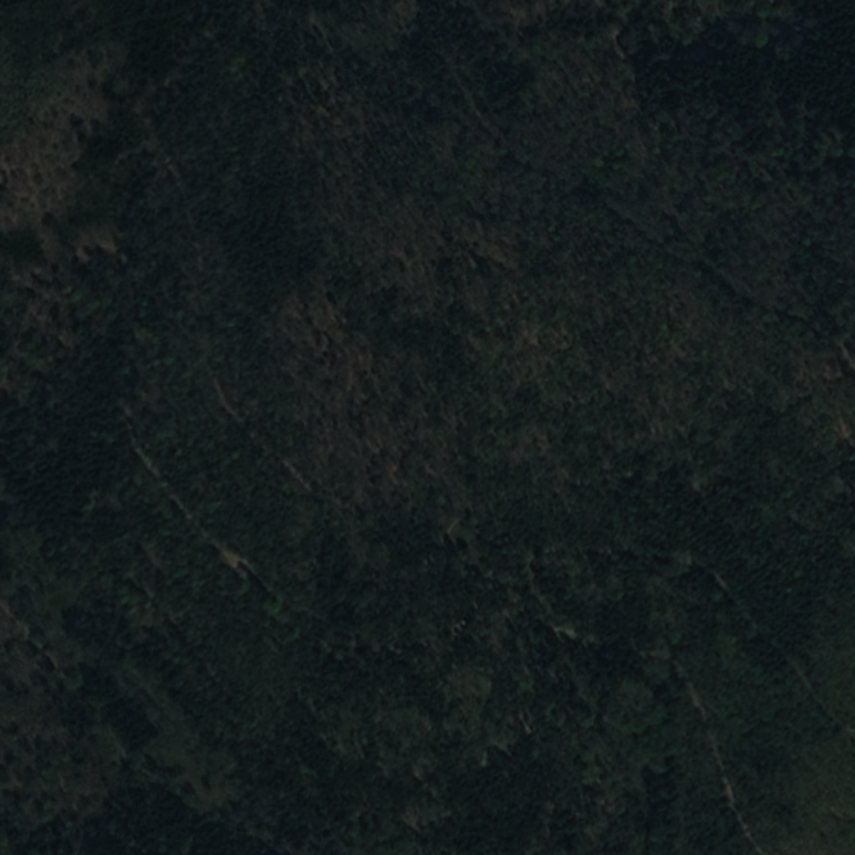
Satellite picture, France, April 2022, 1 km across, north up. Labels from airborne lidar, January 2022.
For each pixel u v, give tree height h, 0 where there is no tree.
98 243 15
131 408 21
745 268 32
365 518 25
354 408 32
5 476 31
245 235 26
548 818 23
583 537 24
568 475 20
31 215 7
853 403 25
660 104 32
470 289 21
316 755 23
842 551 20
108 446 21
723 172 34
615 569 24
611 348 23
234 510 18
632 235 24
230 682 15
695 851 19
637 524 26
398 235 21
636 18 31
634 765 28
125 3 17
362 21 31
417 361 25
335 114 26
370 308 29
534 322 24
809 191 40
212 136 21
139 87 18
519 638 26
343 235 22
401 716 20
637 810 30
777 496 12
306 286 24
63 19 14
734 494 26
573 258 28
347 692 18
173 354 24
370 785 23
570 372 21
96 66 25
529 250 25
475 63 33
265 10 19
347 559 31
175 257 22
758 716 19
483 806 22
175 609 19
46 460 30
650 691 23
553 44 36
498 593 31
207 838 28
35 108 10
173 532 22
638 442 20
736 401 17
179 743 22
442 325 19
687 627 25
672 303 26
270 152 17
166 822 30
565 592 27
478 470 22
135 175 10
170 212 27
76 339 34
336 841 19
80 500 27
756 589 20
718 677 22
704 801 20
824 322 22
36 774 19
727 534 24
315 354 14
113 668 27
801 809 22
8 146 11
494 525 25
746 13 17
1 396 12
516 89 41
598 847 20
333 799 29
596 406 24
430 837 8
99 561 24
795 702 25
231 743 27
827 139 38
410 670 21
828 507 20
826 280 30
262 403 17
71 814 16
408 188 23
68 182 17
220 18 20
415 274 24
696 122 14
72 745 11
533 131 39
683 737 23
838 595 17
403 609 32
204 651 19
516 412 20
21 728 14
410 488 36
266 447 6
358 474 28
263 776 18
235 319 22
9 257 11
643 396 22
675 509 23
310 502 15
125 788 13
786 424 19
